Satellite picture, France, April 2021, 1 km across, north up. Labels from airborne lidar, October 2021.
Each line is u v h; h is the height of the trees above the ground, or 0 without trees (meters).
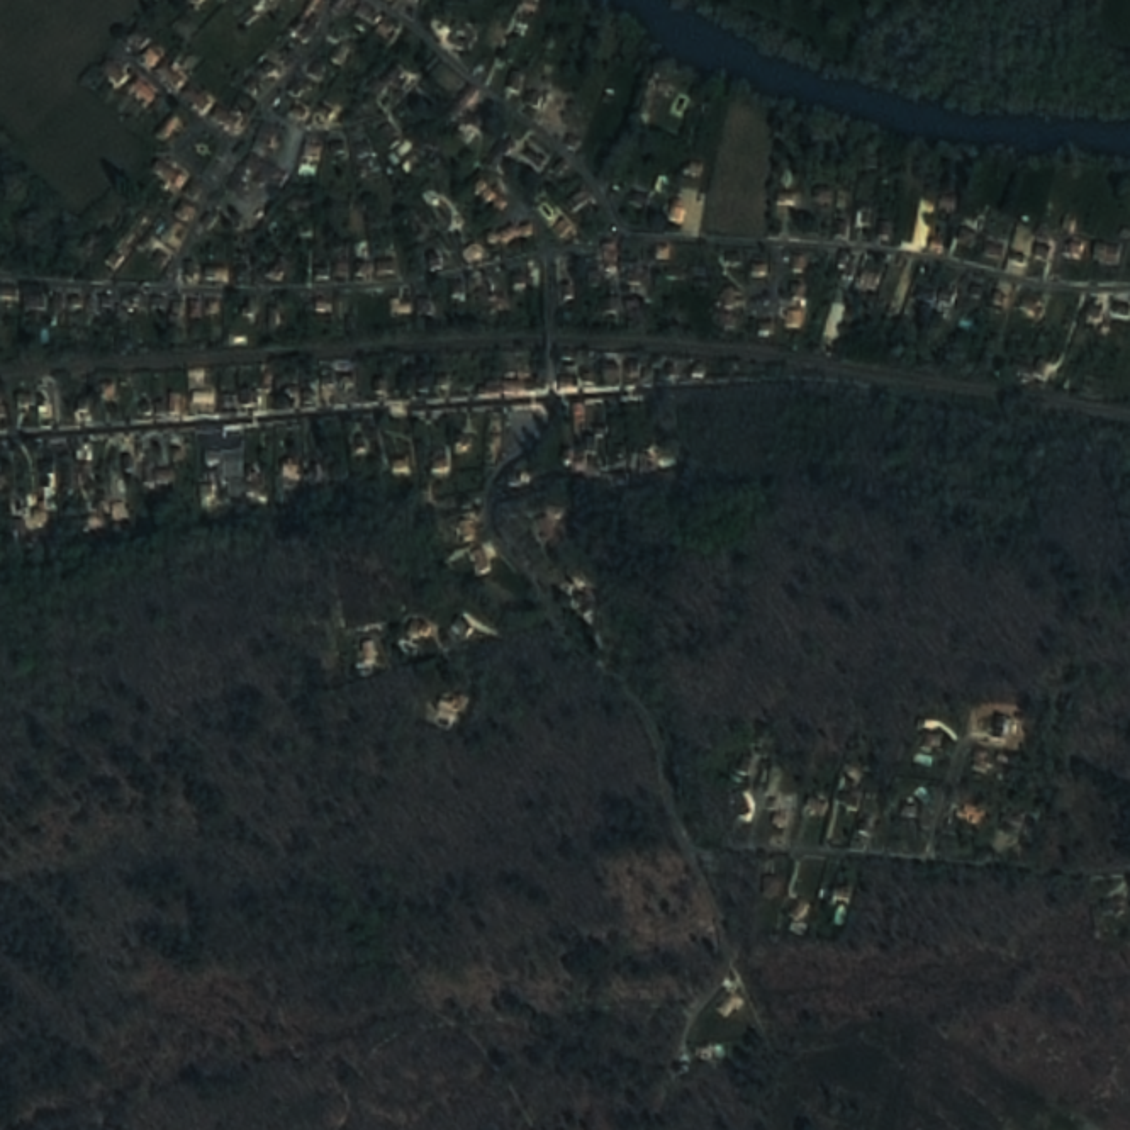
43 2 0
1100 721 11
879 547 17
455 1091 14
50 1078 23
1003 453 23
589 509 17
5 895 25
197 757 17
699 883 17
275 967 18
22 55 0
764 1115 12
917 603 17
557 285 9
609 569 14
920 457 24
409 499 17
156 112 10
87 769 25
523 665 17
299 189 7
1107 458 23
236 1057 11
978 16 17
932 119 0
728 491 23
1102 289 0
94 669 18
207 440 0
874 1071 0
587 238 6
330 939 17
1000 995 9
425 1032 13
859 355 13
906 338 12
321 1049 14
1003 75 21
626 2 0
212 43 0
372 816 17
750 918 14
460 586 11
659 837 16
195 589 13
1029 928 12
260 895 17
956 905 12
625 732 14
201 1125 15
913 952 6
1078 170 33
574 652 16
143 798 22
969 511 19
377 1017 17
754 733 13
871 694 13
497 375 9
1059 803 19
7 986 16
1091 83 17
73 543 15
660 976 18
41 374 0
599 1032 22
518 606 0
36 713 15
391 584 7
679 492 15
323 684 24
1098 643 16
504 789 14
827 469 13
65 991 27
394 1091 9
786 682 14
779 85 0
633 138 21
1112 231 0
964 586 17
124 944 12
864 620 15
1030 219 0
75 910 28
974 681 15
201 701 14
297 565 21
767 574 17
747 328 6
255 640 16
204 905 16
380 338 15
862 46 17
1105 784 16
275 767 14
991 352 9
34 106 0
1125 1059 0
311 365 9
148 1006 15
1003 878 15
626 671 23
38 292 6
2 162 18
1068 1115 0
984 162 19
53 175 0
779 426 17
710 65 0
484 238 7
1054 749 15
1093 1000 9
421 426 13
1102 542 20
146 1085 8
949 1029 13
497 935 15
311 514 21
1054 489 23
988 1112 0
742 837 14
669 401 22
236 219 15
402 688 16
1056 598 15
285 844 16
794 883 0
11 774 18
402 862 13
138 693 15
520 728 16
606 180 17
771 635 16
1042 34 12
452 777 17
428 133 9
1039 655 15
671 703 19
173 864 16
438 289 19
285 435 0
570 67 9
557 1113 6
